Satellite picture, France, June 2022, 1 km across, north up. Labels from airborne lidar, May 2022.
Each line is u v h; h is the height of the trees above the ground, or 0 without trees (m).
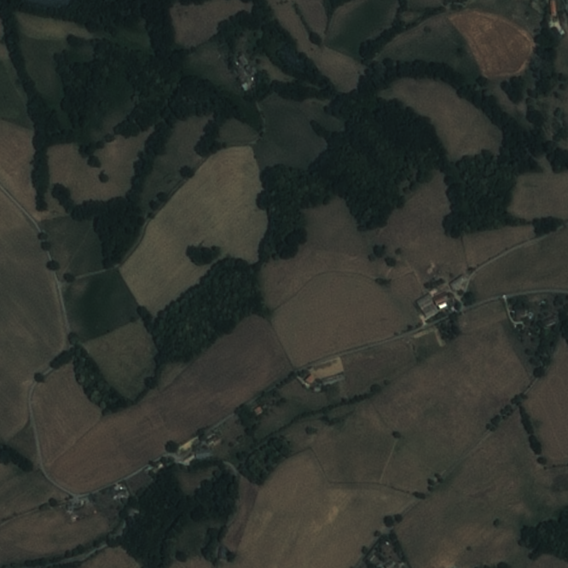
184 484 0
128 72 15
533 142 20
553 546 14
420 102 0
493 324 0
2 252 0
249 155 0
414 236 0
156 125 9
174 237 0
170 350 15
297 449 0
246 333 0
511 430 0
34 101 21
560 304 11
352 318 0
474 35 0
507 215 17
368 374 0
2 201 0
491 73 0
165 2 20
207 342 15
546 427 0
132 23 20
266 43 6
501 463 0
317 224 0
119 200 19
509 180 15
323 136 15
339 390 0
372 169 19
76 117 12
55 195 19
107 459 0
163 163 0
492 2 0
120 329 0
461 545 0
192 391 0
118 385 0
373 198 15
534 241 0
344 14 0
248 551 0
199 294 18
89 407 0
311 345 0
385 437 0
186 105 23
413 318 0
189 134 0
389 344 0
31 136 0
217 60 0
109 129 0
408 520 0
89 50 0
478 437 0
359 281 0
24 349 0
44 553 0
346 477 0
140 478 0
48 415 0
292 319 0
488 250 0
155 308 0
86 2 21
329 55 0
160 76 22
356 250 0
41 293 0
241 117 20
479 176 10
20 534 0
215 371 0
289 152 0
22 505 0
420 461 0
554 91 0
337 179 15
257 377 0
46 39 0
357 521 0
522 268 0
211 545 14
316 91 13
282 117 0
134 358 0
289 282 0
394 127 20
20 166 0
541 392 0
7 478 0
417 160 19
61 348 0
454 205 10
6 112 0
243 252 0
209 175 0
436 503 0
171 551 15
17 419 0
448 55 0
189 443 0
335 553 0
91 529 0
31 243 0
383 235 0
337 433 0
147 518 16
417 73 32
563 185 0
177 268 0
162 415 0
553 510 0
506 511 0
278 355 0
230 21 11
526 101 7
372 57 18
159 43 19
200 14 0
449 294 10
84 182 0
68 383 0
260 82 9
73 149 0
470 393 0
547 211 0
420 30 0
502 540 0
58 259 0
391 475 0
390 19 0
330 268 0
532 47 0
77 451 0
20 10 11
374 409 0
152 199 0
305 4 0
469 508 0
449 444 0
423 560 0
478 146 0
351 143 25
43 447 0
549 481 0
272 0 0
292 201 16
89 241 0
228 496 17
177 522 20
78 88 11
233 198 0
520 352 0
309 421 0
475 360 0
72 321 0
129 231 19
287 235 11
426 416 0
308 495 0
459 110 0
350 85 0
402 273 0
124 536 11
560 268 0
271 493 0
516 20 0
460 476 0
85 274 0
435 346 0
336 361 0
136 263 0
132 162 0
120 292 0
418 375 0
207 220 0
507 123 19
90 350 0
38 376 15
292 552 0
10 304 0
